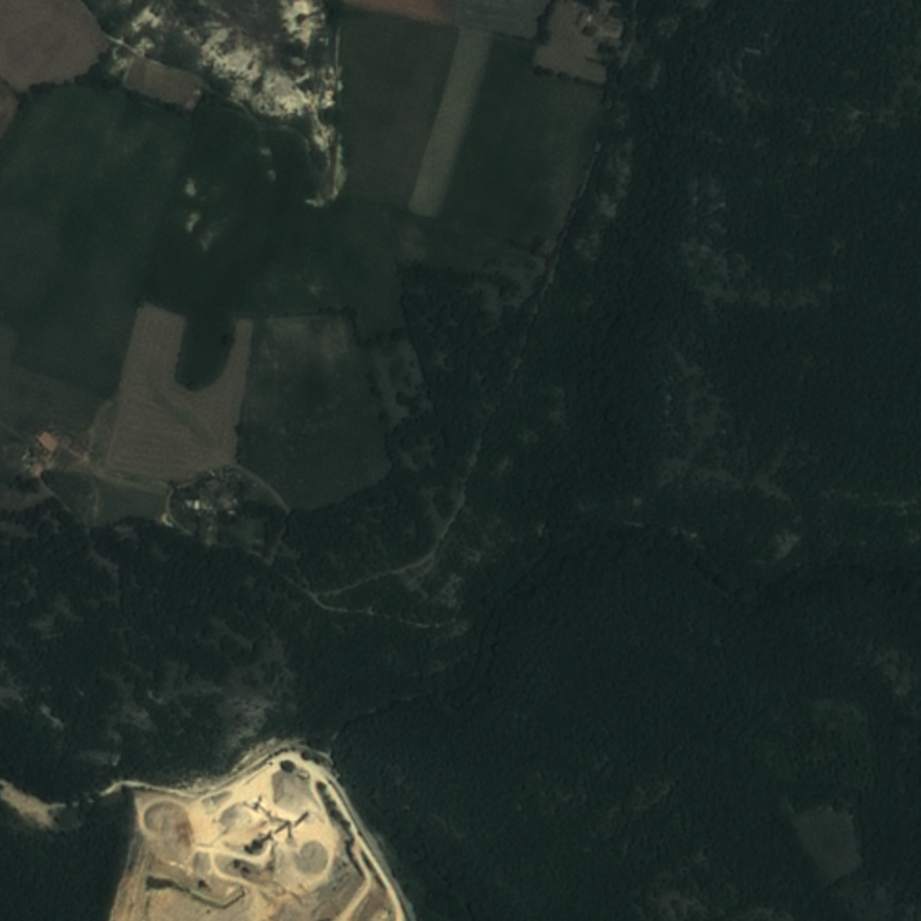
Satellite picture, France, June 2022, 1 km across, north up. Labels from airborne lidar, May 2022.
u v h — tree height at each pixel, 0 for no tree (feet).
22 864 26
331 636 29
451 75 0
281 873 0
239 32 0
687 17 41
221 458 0
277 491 0
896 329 35
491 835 23
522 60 0
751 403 35
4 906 32
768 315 35
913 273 30
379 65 0
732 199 29
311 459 0
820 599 33
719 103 30
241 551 34
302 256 0
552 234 0
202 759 27
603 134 33
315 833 0
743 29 20
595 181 32
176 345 0
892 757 30
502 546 20
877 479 31
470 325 32
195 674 29
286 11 0
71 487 0
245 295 0
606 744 48
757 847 54
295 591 36
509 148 0
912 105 29
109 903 0
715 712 38
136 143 0
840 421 39
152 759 26
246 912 0
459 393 32
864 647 20
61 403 0
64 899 26
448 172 0
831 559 39
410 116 0
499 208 0
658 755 37
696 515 28
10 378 0
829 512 21
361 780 54
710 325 33
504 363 31
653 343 29
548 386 23
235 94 0
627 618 33
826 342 37
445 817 25
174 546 35
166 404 0
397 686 42
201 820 0
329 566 28
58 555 36
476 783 33
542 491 59
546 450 46
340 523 31
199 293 0
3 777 25
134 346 0
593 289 29
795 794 27
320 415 0
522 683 26
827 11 44
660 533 26
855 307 38
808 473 29
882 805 24
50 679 24
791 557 40
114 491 0
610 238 39
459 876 45
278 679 41
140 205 0
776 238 26
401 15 0
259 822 0
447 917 24
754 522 31
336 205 0
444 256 0
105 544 42
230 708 0
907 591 62
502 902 34
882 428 32
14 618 37
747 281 24
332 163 0
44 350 0
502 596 21
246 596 31
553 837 38
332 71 0
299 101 0
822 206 23
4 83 23
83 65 0
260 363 0
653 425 31
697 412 20
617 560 52
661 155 51
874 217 31
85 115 0
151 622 26
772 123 38
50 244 0
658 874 41
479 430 21
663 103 54
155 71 0
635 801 30
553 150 0
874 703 29
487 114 0
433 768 29
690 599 25
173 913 0
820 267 33
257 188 0
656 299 27
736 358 38
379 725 48
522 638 32
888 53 26
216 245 0
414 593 21
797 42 32
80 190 0
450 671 30
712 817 42
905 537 24
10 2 0
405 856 39
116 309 0
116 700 23
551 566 30
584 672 28
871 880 38
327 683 41
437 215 0
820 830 0
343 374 0
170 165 0
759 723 35
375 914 0
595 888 38
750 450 28
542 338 31
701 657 27
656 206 51
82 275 0
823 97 38
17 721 18
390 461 28
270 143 0
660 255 30
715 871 28
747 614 36
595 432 44
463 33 0
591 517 30
